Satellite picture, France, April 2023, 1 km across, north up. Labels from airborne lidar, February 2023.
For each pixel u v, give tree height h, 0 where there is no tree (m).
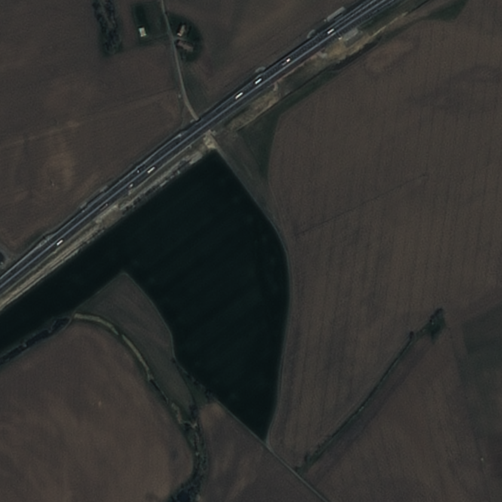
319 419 0
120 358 0
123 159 0
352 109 0
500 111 0
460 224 0
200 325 0
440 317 15
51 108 0
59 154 0
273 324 0
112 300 0
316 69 0
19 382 0
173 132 0
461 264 0
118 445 0
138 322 0
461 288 0
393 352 0
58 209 0
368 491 0
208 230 0
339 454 0
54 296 0
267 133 0
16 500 0
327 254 0
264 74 0
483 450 0
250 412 0
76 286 0
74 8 0
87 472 0
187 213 0
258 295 0
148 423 0
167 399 0
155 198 0
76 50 0
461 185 0
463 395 0
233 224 0
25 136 0
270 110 0
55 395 0
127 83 0
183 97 0
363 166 0
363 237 0
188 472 0
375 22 0
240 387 0
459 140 0
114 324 0
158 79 0
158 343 0
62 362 0
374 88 0
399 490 0
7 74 0
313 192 0
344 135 0
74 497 0
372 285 0
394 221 0
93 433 0
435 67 0
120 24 0
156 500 0
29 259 0
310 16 0
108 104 0
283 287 0
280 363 0
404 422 0
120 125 0
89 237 0
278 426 0
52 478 0
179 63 0
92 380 0
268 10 0
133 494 0
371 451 0
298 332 0
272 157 0
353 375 0
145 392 0
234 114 0
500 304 0
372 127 0
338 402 0
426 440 0
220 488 0
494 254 0
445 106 0
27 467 0
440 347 0
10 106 0
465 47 0
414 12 0
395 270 0
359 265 0
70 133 0
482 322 0
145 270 0
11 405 0
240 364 0
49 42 0
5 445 0
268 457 0
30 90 0
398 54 0
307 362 0
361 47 0
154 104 0
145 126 0
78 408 0
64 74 0
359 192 0
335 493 0
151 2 0
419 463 0
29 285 0
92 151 0
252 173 0
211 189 0
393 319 0
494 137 0
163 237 0
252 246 0
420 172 0
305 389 0
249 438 0
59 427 0
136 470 0
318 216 0
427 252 0
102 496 0
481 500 0
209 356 0
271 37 0
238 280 0
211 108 0
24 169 0
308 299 0
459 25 0
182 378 0
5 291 0
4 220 0
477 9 0
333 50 0
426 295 0
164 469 0
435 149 0
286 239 0
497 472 0
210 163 0
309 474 0
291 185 0
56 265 0
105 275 0
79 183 0
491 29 0
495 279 0
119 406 0
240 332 0
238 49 0
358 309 0
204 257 0
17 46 0
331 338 0
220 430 0
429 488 0
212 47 0
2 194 0
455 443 0
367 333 0
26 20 0
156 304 0
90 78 0
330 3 0
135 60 0
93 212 0
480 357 0
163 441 0
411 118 0
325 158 0
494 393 0
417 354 0
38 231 0
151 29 0
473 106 0
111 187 0
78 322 0
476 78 0
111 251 0
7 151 0
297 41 0
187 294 0
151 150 0
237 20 0
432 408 0
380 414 0
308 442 0
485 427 0
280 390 0
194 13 0
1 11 0
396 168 0
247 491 0
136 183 0
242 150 0
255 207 0
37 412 0
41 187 0
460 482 0
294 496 0
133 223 0
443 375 0
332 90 0
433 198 0
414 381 0
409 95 0
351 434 0
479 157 0
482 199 0
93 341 0
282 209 0
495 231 0
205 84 0
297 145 0
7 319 0
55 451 0
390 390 0
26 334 0
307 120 0
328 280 0
